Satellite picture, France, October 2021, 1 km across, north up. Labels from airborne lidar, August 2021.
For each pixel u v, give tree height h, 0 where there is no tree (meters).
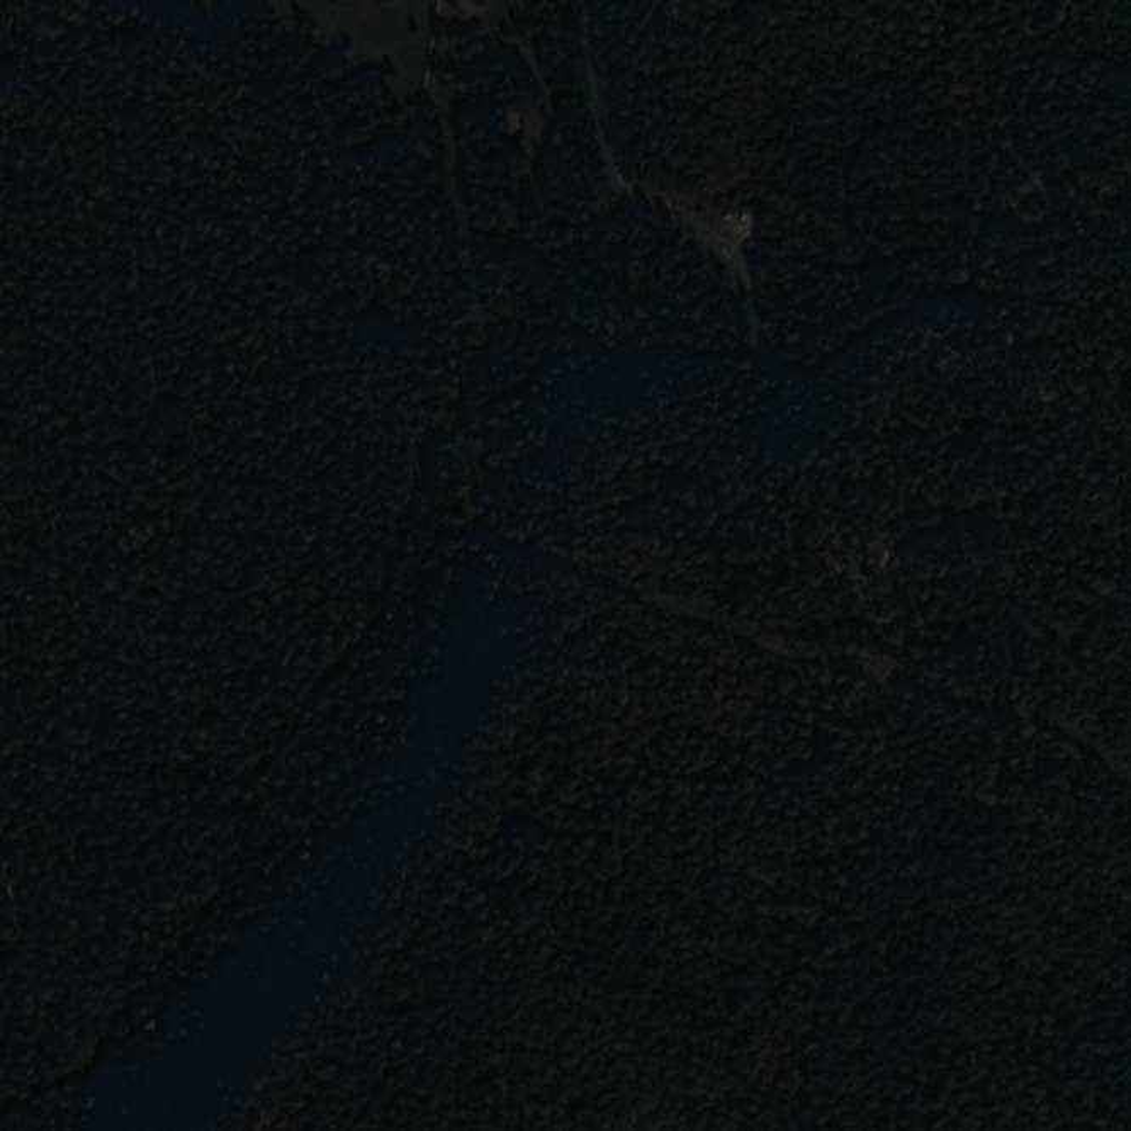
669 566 18
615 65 23
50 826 32
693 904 6
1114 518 16
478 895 28
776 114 19
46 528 21
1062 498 23
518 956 26
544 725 15
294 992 21
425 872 17
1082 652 19
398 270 13
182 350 15
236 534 22
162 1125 25
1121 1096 25
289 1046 14
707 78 13
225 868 24
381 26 0
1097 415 21
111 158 25
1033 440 7
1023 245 24
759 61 14
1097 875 18
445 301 12
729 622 15
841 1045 25
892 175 14
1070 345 12
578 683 17
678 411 16
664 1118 19
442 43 12
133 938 17
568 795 23
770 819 24
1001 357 27
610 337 18
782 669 8
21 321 16
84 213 20
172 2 0
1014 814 20
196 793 21
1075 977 20
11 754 25
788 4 17
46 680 14
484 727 16
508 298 22
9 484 7
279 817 10
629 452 23
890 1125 25
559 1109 19
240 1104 18
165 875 14
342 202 17
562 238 20
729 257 0
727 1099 12
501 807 13
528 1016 20
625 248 14
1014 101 19
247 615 16
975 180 20
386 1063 28
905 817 21
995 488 24
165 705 32
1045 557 29
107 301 20
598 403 25
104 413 16
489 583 23
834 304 26
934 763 25
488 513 21
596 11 13
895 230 21
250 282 35
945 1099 18
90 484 30
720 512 25
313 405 25
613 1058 18
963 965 17
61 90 15
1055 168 22
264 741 14
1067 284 21
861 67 17
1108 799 26
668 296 18
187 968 7
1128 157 21
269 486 19
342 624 17
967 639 8
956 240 24
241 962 29
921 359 22
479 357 7
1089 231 17
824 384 26
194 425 13
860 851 24
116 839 11
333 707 10
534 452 8
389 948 20
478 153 17
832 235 20
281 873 13
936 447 21
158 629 9
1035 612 20
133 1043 20
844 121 22
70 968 16
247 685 19
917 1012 27
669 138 13
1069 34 25
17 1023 30
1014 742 27
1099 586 24
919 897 25
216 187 21
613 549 15
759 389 18
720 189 13
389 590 33
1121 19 22
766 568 11
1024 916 14
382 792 24
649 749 8
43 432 16
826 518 6
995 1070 16
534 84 6
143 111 22
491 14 0
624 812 18
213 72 25
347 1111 14
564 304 25
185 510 24
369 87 13
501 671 16
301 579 21
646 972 23
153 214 18
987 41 16
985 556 25
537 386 19
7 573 24
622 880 12
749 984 24
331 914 13
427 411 14
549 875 25
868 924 23
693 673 23
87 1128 16
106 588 22
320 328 31
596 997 15
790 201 19
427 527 16
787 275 19
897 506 9
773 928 7
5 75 20
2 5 17
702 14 20
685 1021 15
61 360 14
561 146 15
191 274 13
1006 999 18
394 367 26
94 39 24
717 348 15
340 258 27
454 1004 26
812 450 12
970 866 29
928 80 16
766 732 27
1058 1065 27
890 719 15
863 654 21
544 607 17
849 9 17
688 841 22
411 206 6
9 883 17
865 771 23
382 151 8
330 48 0
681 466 25
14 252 24
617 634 8
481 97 21
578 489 20
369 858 24
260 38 18
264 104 17
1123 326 31
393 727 22
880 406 19
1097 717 9
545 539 19
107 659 15
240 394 22
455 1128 22
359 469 18
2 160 27
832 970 20
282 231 14
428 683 9
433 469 19
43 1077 11
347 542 37
